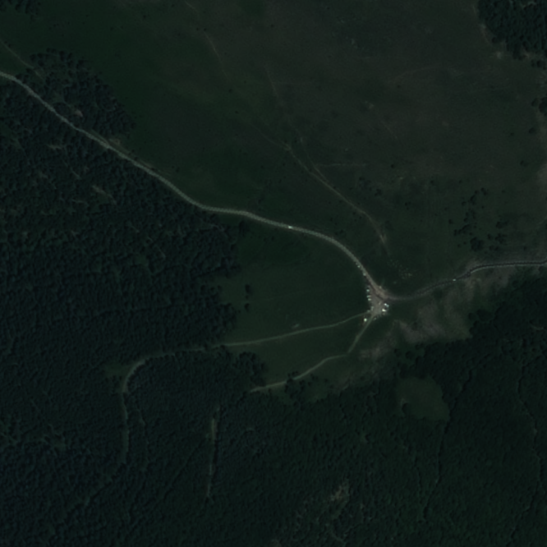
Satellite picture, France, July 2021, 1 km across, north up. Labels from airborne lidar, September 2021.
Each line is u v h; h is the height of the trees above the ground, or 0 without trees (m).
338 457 16
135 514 18
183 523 15
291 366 0
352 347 0
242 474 15
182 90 0
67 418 12
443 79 0
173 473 16
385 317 0
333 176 0
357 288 0
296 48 0
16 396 19
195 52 0
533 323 24
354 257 0
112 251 19
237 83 0
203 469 20
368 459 23
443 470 21
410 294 0
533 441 21
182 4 0
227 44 0
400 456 23
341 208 0
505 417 21
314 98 0
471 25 0
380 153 0
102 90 26
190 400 21
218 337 11
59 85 25
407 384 0
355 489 21
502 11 13
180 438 14
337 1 0
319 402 10
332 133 0
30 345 16
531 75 0
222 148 0
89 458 15
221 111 0
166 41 0
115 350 18
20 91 25
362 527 21
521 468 26
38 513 21
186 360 10
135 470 16
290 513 15
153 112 0
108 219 17
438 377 22
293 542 16
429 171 0
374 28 0
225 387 17
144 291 20
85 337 18
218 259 30
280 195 0
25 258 28
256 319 0
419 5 0
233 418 20
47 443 8
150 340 19
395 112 0
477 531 23
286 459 14
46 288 15
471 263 0
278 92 0
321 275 0
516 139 0
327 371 0
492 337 26
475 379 27
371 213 0
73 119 27
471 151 0
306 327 0
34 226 20
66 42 0
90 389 16
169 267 14
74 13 0
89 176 19
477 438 24
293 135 0
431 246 0
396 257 0
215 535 17
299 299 0
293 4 0
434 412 0
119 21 0
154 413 16
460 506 19
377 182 0
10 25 0
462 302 0
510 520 20
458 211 0
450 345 15
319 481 14
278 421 16
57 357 14
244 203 0
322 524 13
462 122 0
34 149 24
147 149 0
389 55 0
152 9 0
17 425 28
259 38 0
